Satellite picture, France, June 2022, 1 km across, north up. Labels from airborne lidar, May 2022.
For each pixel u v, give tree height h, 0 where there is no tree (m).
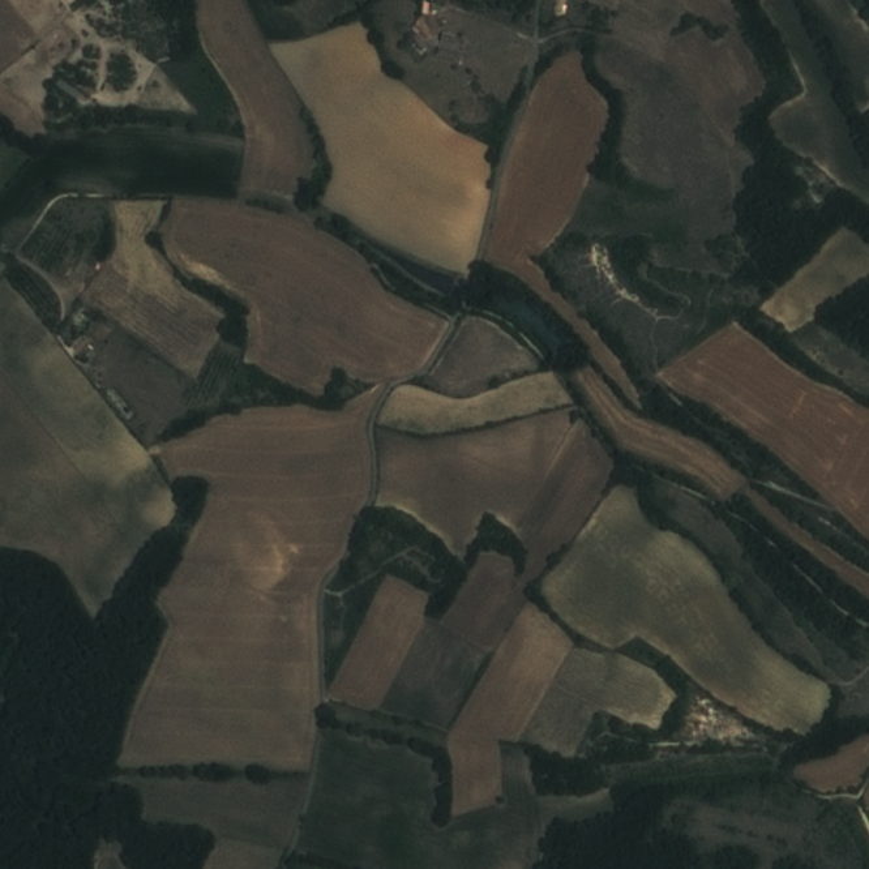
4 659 13
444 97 0
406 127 0
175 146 0
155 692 0
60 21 0
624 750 12
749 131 14
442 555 12
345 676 0
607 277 0
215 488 0
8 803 17
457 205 0
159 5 8
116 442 0
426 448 0
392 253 0
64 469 0
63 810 18
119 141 0
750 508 10
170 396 0
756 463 6
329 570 0
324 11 0
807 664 9
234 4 0
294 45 0
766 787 10
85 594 0
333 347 0
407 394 0
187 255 0
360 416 0
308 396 9
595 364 12
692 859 11
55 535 0
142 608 16
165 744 0
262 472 0
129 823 17
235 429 0
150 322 0
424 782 0
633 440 0
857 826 8
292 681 0
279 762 0
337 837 0
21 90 0
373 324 0
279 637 0
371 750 0
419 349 0
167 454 0
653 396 8
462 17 0
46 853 17
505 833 0
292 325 0
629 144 0
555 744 0
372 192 0
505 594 0
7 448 0
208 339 0
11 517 0
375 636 0
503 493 0
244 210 0
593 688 0
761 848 0
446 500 0
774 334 10
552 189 0
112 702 22
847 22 0
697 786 9
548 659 0
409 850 0
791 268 15
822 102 0
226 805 0
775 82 7
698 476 0
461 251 0
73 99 7
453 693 0
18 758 17
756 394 0
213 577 0
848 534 9
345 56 0
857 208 19
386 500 0
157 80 0
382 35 10
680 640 0
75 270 0
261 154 0
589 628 0
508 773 0
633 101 0
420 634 0
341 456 0
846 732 14
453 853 0
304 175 0
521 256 0
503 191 0
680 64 0
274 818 0
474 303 17
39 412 0
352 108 0
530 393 0
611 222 0
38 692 18
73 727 21
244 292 0
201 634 0
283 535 0
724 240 11
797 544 13
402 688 0
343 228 13
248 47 0
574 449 0
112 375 0
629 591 0
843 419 0
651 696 0
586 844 16
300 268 0
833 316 15
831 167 0
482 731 0
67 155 0
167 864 15
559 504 0
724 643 0
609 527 0
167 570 18
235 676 0
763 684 0
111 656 17
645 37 0
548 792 15
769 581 9
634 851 14
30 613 18
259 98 0
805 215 13
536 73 10
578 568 0
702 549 6
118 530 0
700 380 0
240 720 0
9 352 0
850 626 14
